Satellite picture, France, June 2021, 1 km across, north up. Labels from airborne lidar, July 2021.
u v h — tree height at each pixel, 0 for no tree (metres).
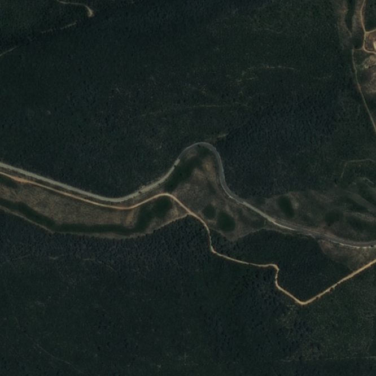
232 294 7
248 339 8
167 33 6
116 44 7
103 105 6
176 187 0
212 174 0
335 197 0
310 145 7
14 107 6
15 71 8
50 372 8
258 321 6
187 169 0
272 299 13
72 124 7
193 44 6
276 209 0
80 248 9
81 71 13
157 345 6
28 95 7
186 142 6
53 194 0
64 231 0
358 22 0
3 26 7
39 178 0
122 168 7
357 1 0
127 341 12
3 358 15
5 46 8
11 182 0
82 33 6
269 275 13
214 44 8
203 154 0
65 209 0
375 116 0
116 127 11
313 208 0
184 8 10
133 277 10
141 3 8
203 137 6
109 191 8
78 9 8
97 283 6
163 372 6
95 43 6
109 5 8
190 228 6
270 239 11
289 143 6
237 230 0
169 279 7
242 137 6
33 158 6
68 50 5
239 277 9
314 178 6
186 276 8
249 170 7
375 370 9
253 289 8
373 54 0
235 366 6
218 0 10
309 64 6
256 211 0
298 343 14
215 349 13
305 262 8
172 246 12
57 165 8
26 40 12
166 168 7
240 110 9
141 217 0
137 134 8
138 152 7
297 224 0
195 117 6
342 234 0
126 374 6
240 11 7
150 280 7
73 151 8
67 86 5
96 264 6
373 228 0
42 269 7
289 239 6
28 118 11
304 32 9
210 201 0
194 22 6
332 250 0
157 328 9
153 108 6
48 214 0
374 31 0
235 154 8
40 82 7
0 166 0
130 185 9
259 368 8
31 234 7
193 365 6
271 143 7
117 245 8
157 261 7
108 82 6
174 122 10
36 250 9
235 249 15
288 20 7
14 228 8
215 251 6
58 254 9
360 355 6
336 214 0
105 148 13
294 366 6
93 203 0
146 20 11
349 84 8
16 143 7
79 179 7
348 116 7
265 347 6
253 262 8
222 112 11
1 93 5
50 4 7
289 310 12
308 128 7
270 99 8
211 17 6
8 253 10
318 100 10
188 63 7
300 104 10
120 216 0
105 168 10
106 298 6
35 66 5
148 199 0
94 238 10
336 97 8
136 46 6
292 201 0
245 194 6
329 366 7
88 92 6
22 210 0
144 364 6
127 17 8
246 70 7
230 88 6
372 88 0
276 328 7
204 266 8
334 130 11
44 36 11
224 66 7
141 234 0
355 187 0
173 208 0
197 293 13
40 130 7
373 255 0
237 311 8
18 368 6
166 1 7
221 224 0
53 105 7
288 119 6
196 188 0
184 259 9
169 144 7
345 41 0
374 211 0
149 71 5
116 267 6
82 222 0
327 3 9
